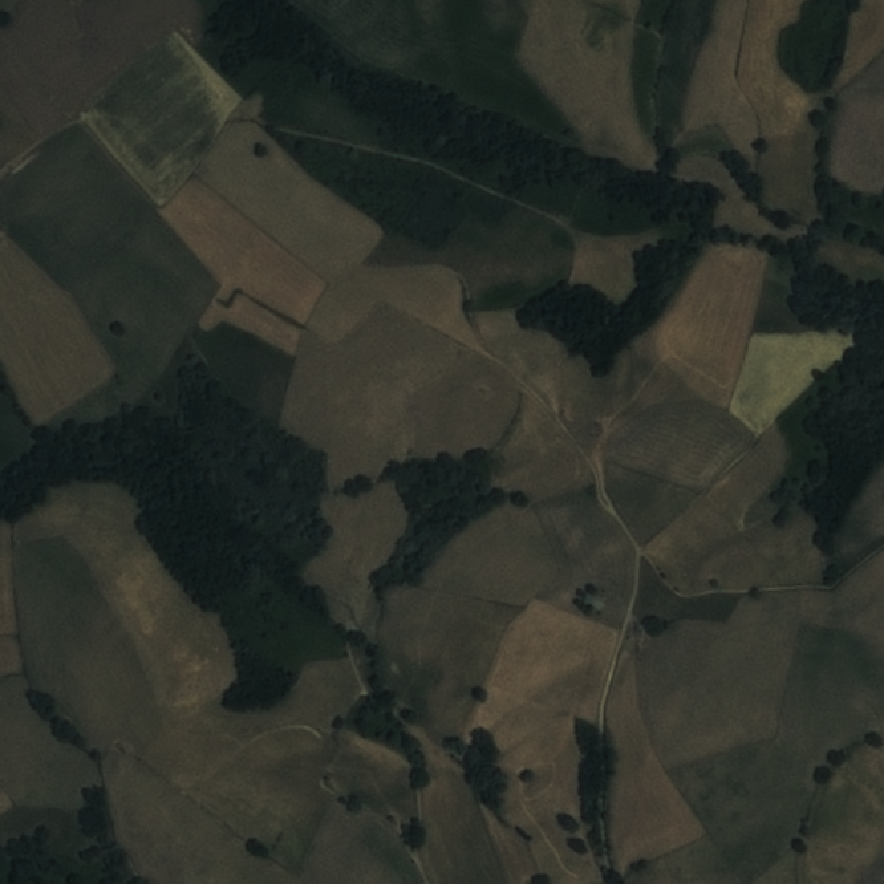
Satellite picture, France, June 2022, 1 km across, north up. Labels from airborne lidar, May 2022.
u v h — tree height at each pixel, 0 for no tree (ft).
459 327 0
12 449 0
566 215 0
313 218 0
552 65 0
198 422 53
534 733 0
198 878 0
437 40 0
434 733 0
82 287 0
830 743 0
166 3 0
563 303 48
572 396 0
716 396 0
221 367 0
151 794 0
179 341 0
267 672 47
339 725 41
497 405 0
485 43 0
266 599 35
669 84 0
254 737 0
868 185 0
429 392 0
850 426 42
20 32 0
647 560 0
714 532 0
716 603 0
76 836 0
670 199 53
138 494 30
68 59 0
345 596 0
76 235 0
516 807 0
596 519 0
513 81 0
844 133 0
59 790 0
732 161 43
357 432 0
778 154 0
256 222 0
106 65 0
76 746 50
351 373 0
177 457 71
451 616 0
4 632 0
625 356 0
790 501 58
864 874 0
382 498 0
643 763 0
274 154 0
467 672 0
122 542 0
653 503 0
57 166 0
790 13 0
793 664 0
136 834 0
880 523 0
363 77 38
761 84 0
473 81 0
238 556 49
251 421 43
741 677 0
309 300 0
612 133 0
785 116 0
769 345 0
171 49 0
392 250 0
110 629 0
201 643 0
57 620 0
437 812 0
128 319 0
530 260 0
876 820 0
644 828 0
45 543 0
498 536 0
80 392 0
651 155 0
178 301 0
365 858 0
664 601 0
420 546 47
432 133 32
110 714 0
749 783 0
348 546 0
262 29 38
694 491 0
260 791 0
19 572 0
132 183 0
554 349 0
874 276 0
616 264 0
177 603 0
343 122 0
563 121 0
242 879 0
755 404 0
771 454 0
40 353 0
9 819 0
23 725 0
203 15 0
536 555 0
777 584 0
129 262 0
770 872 0
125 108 0
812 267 72
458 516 30
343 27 0
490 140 21
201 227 0
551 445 0
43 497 54
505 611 0
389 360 0
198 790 0
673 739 0
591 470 0
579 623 0
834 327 42
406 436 0
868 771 0
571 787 0
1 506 60
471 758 68
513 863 0
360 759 0
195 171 0
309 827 0
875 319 59
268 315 0
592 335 43
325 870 0
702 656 0
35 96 0
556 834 0
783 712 0
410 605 0
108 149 0
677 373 0
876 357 82
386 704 54
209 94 0
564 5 0
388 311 0
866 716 0
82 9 0
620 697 0
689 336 0
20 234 0
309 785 0
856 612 0
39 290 0
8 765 0
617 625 0
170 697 0
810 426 28
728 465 0
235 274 0
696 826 0
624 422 0
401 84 35
